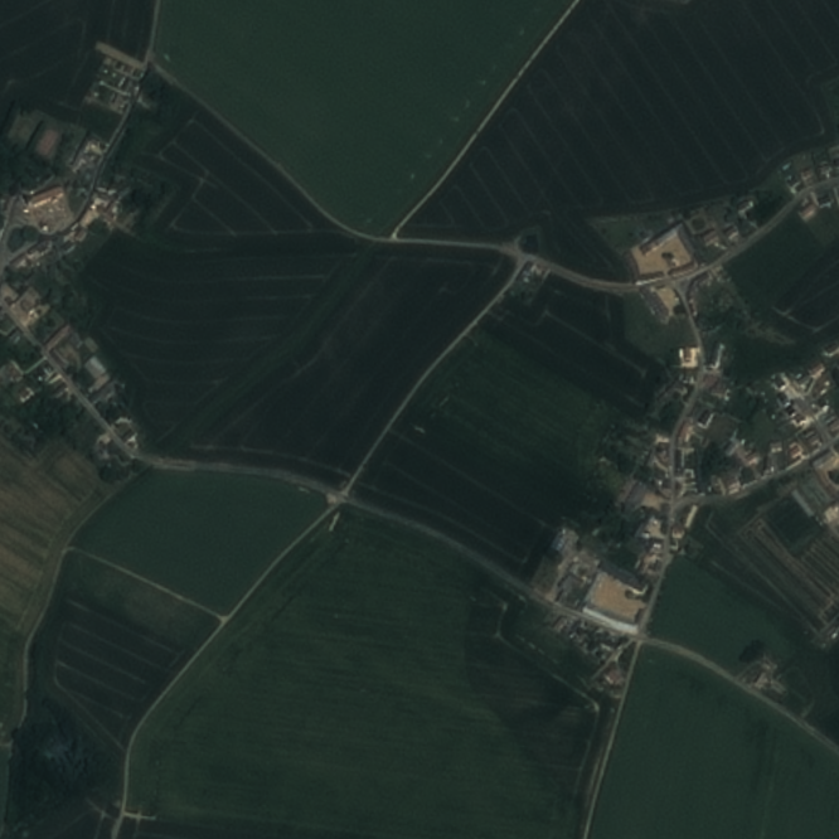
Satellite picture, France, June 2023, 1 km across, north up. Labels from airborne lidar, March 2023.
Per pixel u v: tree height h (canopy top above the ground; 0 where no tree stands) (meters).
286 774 0
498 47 0
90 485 0
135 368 0
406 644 0
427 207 0
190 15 0
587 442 0
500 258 0
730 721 0
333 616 0
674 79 0
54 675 0
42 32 0
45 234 0
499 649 0
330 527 0
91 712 0
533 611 0
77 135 0
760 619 0
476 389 0
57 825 0
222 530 0
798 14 0
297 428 0
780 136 0
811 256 0
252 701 0
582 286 0
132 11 0
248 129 0
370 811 0
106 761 9
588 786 0
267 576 0
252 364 0
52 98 0
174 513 0
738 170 0
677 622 0
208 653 0
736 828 0
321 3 0
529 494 0
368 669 0
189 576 0
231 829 0
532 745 0
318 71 0
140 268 0
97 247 0
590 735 0
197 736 0
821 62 0
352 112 0
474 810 0
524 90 0
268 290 0
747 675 0
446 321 0
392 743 0
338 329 0
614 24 0
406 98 0
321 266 0
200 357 0
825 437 0
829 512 0
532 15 0
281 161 0
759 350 0
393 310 0
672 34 0
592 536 0
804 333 0
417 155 0
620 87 0
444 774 0
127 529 0
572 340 0
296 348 0
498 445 0
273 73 0
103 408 10
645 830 0
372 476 0
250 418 0
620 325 0
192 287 0
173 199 0
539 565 0
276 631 0
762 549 0
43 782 9
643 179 0
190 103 0
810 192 0
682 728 0
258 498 0
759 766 0
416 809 0
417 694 0
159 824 0
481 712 0
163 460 0
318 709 0
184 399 0
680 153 0
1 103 0
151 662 0
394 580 0
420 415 0
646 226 0
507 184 0
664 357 0
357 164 0
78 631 0
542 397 0
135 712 0
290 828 0
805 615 0
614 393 0
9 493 0
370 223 0
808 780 0
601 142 0
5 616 0
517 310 0
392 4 0
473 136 0
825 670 0
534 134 0
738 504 0
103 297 0
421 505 0
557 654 0
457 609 0
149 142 0
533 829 0
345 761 0
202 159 0
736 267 0
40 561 0
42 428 10
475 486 0
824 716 0
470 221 0
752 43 0
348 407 0
